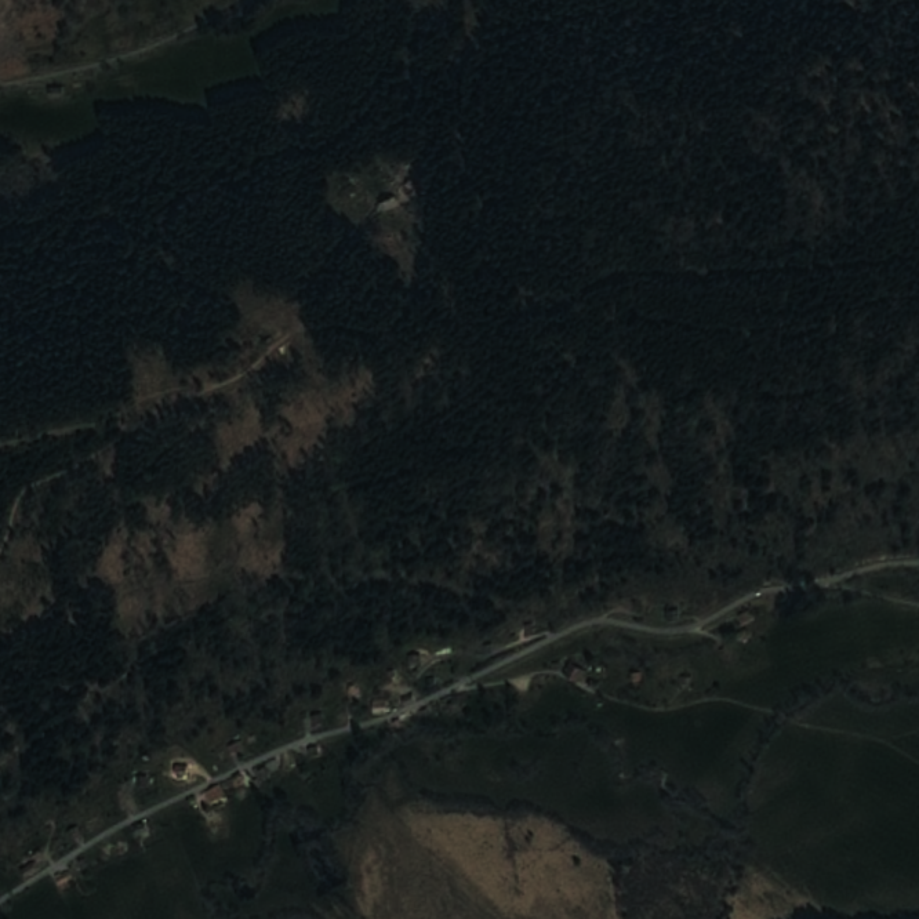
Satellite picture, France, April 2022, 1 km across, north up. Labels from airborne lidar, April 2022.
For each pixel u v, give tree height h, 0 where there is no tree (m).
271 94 30
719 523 8
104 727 17
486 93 17
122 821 0
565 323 17
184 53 0
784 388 19
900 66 18
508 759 0
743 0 17
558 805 0
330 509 29
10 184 9
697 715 0
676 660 10
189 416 21
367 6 27
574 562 16
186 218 25
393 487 34
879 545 8
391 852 0
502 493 25
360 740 21
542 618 7
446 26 30
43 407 25
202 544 0
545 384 21
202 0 0
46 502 9
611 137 22
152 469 28
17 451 6
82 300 28
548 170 16
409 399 26
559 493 33
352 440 27
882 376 20
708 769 0
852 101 13
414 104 23
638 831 0
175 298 30
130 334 30
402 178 0
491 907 0
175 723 8
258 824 0
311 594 22
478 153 20
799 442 29
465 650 7
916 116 19
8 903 7
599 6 21
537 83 22
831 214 26
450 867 0
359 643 30
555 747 0
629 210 22
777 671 0
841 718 0
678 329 22
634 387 23
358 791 14
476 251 26
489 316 26
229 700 21
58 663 32
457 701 10
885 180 16
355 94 24
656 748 0
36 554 0
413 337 24
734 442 22
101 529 24
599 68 16
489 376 19
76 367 30
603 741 19
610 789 0
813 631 0
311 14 0
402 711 0
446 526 10
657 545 17
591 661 15
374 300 20
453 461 33
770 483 20
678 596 7
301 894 0
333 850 18
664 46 20
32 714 30
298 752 0
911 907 0
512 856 0
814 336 26
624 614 0
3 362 28
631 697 13
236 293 21
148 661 22
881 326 29
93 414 24
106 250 28
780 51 21
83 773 21
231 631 23
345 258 23
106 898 0
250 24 24
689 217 26
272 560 0
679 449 21
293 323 0
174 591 0
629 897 5
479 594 9
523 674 0
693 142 18
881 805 0
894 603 0
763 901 0
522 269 23
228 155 31
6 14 0
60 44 11
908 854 0
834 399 23
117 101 0
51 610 31
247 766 0
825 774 0
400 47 26
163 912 0
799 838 0
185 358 29
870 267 28
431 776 0
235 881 10
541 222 18
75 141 0
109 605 27
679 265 21
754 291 30
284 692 6
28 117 0
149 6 0
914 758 0
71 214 28
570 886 0
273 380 27
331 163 29
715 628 0
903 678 0
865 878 0
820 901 0
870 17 18
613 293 30
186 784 0
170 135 30
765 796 0
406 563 15
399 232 0
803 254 25
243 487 30
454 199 24
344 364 29
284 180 27
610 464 28
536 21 16
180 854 0
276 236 27
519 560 22
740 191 23
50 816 11
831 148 11
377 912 0
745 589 6
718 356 21
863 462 9
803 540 24
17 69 0
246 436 0
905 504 11
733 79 22
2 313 22
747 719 0
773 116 16
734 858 11
